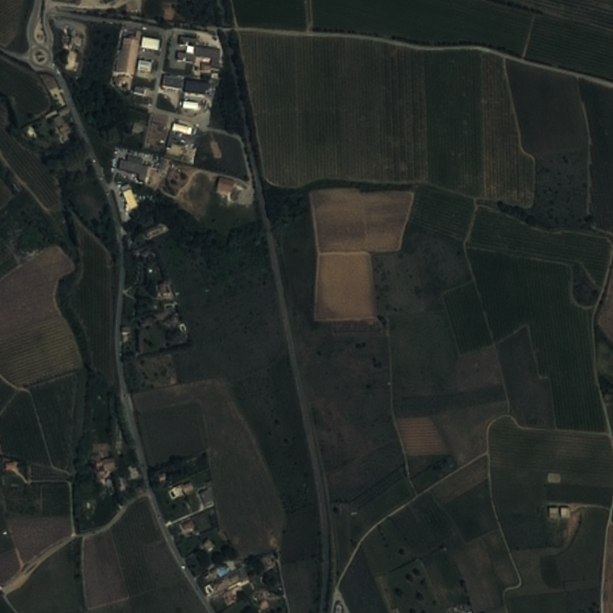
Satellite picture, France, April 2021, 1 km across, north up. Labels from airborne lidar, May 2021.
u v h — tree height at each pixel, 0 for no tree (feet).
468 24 0
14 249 0
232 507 0
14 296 0
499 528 0
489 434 0
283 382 0
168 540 0
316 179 0
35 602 0
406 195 0
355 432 0
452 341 0
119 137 68
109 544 0
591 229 24
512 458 0
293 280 0
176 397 0
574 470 0
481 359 0
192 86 0
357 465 0
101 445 0
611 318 0
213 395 0
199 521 0
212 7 41
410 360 0
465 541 0
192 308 0
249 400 0
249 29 0
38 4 0
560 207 0
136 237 30
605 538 0
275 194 26
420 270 0
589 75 21
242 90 44
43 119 27
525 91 0
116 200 0
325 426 0
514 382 0
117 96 29
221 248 22
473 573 0
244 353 0
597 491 0
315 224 0
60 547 0
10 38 0
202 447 0
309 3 0
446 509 0
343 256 0
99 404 0
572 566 0
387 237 0
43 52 0
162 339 0
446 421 0
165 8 0
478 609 0
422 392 0
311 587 0
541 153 0
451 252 0
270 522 0
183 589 0
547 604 0
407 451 0
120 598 0
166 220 42
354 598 0
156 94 0
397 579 0
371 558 0
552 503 0
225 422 0
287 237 0
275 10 0
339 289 0
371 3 0
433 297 0
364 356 0
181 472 42
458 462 0
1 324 0
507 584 0
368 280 0
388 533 0
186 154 0
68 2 0
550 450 0
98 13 23
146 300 25
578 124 0
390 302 0
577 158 0
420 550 0
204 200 0
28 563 0
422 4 0
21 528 0
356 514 0
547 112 0
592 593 0
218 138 0
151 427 0
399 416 0
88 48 0
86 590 0
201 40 0
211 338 0
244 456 0
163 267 37
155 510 0
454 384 0
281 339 0
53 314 0
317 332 0
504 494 0
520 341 0
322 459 0
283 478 0
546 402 0
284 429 0
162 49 0
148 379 18
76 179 48
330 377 0
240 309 0
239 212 0
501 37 0
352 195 0
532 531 0
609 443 0
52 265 0
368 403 0
